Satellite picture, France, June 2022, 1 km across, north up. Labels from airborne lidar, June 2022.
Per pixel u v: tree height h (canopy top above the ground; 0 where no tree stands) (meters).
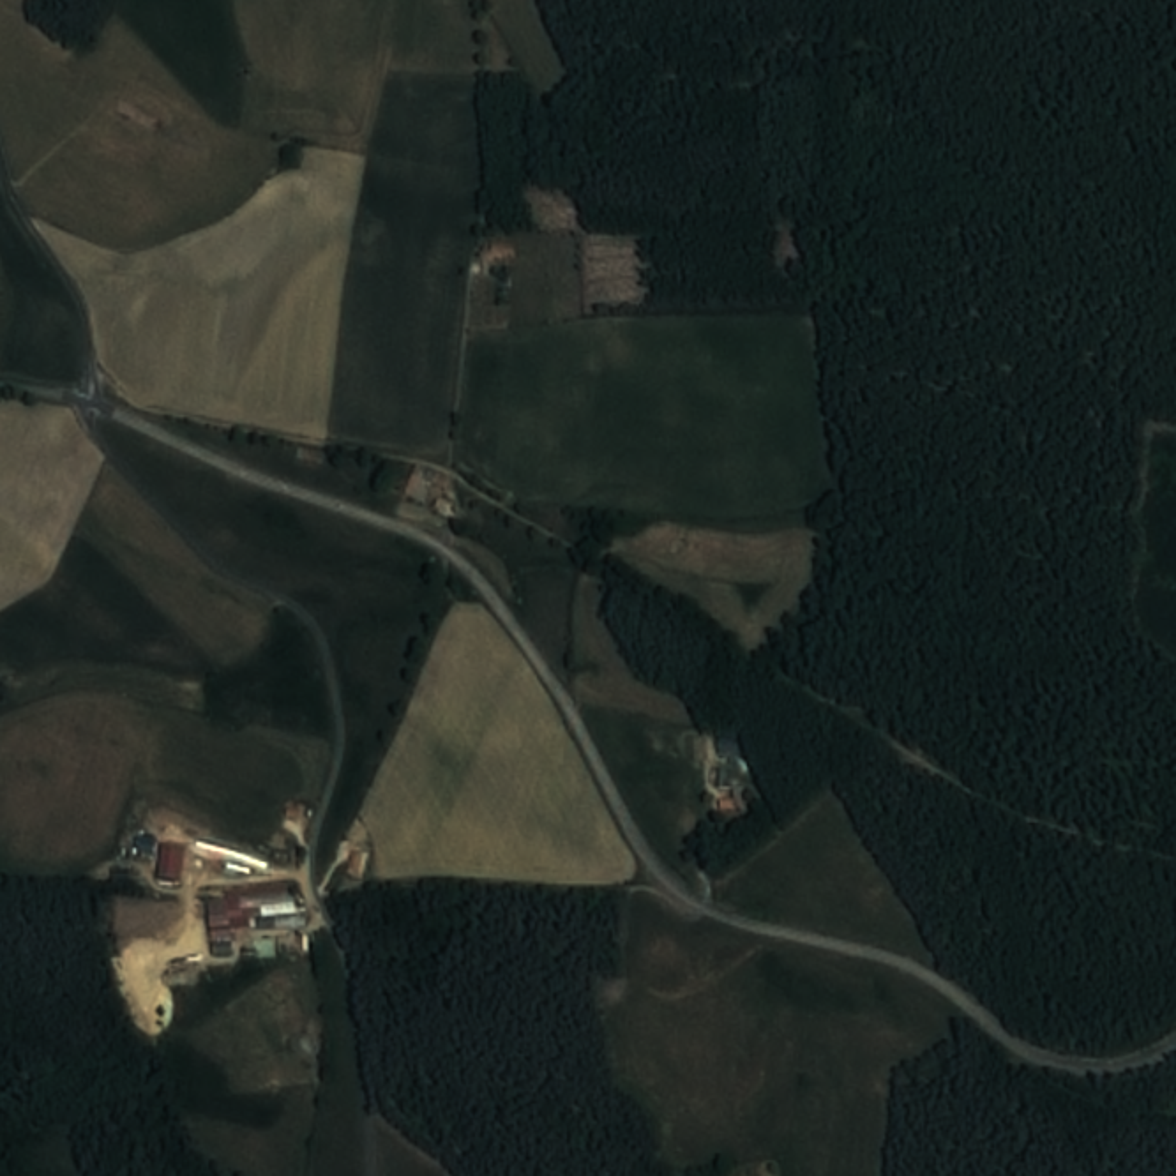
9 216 0
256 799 0
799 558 0
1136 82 24
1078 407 19
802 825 0
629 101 12
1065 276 21
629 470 0
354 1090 0
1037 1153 21
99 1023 23
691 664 25
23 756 0
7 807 0
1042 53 20
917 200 21
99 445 0
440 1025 22
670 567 0
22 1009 19
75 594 0
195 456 0
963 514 23
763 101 21
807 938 0
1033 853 27
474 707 0
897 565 20
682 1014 0
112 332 0
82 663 0
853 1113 0
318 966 13
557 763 0
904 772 17
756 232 18
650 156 19
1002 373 17
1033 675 17
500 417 0
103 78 0
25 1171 13
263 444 7
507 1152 21
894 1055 0
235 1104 0
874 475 20
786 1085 0
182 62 0
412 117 0
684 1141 0
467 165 0
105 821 0
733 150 22
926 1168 12
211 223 0
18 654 0
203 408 0
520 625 0
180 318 0
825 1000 0
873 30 27
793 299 15
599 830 0
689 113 18
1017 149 25
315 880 0
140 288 0
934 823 23
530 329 0
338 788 0
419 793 0
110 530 0
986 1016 0
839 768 25
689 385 0
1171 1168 22
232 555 0
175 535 0
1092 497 21
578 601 0
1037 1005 25
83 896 22
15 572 0
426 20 0
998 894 23
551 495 0
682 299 16
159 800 0
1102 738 24
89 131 0
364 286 0
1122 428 30
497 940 19
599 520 10
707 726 15
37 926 23
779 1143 0
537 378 0
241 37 0
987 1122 20
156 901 0
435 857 0
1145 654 22
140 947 0
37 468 0
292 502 0
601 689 0
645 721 0
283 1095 0
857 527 21
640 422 0
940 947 18
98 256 0
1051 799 17
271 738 0
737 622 0
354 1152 0
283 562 0
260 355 0
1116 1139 21
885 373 19
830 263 22
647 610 17
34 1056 22
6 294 0
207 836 0
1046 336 18
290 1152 0
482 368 0
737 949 0
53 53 0
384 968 16
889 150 17
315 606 0
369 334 0
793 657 22
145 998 0
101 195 0
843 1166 0
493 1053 19
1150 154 22
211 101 0
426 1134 10
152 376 0
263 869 0
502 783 0
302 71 0
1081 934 12
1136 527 17
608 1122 19
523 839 0
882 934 0
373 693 0
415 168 0
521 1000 23
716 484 0
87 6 17
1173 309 17
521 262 0
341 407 0
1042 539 20
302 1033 0
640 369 0
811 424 0
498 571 0
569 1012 21
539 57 0
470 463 0
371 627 0
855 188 19
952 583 23
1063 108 22
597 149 17
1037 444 17
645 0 19
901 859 14
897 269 15
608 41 13
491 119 20
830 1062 0
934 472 21
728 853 29
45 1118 20
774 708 24
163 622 0
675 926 0
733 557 0
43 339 0
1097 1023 25
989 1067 18
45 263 0
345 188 0
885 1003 0
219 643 0
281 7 0
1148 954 26
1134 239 20
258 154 0
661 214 18
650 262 17
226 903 0
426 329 0
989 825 22
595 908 11
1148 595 0
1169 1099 21
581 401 0
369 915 16
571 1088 21
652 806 0
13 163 0
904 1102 15
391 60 0
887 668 23
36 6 15
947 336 19
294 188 0
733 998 0
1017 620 23
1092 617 16
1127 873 26
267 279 0
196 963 0
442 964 18
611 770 0
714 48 14
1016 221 12
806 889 0
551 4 18
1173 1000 19
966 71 25
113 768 0
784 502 0
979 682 19
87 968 23
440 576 16
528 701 0
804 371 0
